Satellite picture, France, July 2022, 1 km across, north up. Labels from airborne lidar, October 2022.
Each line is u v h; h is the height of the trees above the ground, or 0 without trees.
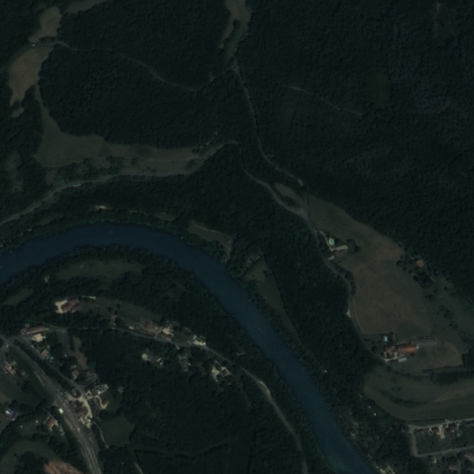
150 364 22
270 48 12
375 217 18
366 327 0
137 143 17
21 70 0
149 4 14
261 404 11
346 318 16
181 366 13
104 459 15
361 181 10
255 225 6
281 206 10
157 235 0
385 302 0
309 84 8
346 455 0
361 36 17
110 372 19
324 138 7
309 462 12
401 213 7
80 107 12
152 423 11
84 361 0
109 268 0
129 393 15
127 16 18
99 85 21
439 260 15
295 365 0
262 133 16
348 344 15
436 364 0
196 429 18
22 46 12
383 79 0
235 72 16
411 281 0
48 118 0
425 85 20
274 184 7
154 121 12
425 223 7
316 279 8
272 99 12
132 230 0
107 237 0
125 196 18
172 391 18
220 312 21
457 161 19
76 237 0
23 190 10
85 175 6
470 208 17
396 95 19
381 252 0
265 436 22
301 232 8
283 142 7
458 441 9
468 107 16
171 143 14
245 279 6
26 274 15
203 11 13
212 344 12
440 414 0
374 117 12
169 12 11
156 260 19
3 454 11
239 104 16
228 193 11
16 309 18
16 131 8
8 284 18
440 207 14
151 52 12
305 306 9
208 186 13
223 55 23
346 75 12
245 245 19
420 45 17
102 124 15
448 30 0
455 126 9
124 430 0
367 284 0
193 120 10
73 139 0
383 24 18
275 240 13
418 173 7
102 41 19
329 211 0
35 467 10
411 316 0
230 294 0
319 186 14
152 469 17
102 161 0
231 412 15
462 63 18
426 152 8
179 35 15
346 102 7
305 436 15
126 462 12
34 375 0
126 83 13
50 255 0
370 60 20
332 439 0
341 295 17
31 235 12
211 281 0
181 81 12
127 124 19
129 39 11
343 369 10
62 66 16
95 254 15
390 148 18
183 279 16
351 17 15
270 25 20
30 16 8
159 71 10
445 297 0
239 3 0
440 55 19
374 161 15
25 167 13
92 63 19
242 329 14
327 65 13
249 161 8
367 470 0
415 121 15
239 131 18
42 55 0
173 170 0
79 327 9
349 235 0
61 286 14
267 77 10
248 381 14
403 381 0
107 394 0
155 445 15
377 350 18
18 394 0
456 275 16
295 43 14
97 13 12
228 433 16
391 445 11
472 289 15
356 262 0
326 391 7
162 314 7
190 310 11
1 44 16
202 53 16
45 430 17
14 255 0
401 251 0
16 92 0
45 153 0
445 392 0
